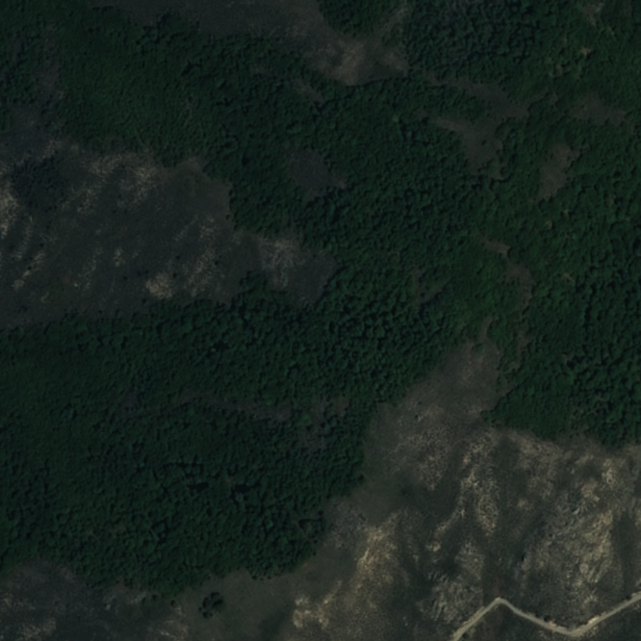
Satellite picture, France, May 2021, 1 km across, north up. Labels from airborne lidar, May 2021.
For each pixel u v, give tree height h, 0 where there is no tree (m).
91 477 16
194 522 22
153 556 25
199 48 20
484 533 0
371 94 20
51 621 0
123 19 18
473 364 0
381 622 0
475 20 12
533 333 15
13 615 0
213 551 16
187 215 0
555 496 0
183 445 25
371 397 9
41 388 20
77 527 14
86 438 33
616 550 0
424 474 0
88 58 13
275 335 31
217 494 33
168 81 18
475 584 0
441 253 25
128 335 29
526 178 23
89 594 0
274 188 28
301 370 25
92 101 10
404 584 0
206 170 11
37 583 0
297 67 18
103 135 8
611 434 16
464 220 7
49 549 13
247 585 0
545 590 0
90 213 0
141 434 23
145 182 0
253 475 16
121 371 19
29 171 8
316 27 0
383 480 0
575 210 24
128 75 10
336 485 13
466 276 16
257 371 24
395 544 0
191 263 0
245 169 28
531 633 0
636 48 17
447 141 18
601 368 15
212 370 20
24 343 23
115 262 0
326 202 7
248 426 22
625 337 18
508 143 16
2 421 28
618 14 11
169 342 28
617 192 28
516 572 0
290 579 0
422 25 16
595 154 14
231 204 7
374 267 8
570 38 15
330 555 0
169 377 21
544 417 14
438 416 0
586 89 8
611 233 29
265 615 0
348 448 11
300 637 0
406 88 15
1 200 0
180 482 30
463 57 6
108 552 14
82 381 23
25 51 8
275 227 10
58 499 16
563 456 0
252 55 22
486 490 0
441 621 0
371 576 0
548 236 19
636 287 23
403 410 0
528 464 0
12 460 29
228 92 32
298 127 23
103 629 0
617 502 0
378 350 17
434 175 17
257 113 26
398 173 17
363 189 19
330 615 0
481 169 8
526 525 0
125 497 18
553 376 21
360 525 0
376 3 15
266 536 20
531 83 13
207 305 20
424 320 19
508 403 14
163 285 0
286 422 6
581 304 34
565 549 0
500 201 19
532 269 9
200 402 13
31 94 12
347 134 20
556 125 17
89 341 25
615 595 0
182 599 0
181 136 11
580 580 0
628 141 19
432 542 0
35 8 18
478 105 14
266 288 15
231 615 0
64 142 0
